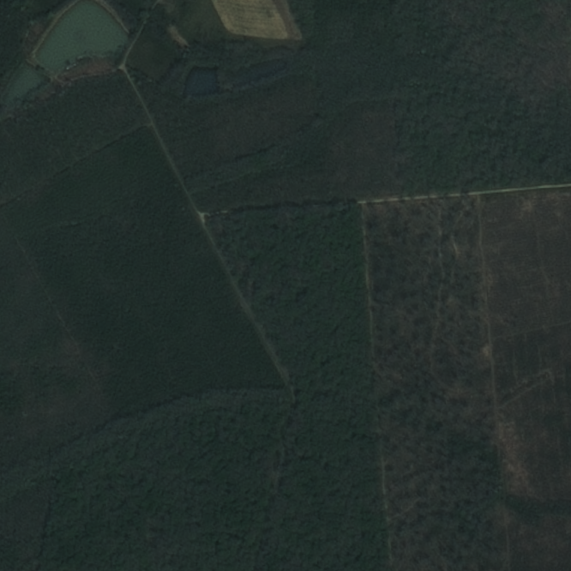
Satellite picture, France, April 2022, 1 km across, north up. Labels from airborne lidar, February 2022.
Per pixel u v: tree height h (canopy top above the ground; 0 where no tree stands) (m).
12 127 16
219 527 27
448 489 22
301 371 27
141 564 23
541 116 18
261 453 25
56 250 11
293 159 21
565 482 0
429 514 27
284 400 21
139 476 22
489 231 0
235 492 24
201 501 24
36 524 17
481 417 0
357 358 25
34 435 14
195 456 22
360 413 29
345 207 25
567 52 26
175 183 11
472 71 22
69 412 14
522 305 0
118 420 14
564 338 0
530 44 23
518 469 0
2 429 15
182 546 23
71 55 0
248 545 20
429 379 24
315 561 22
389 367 23
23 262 12
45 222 9
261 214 19
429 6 27
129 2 0
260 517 23
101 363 6
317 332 21
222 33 0
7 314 12
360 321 25
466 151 22
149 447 21
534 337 0
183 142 15
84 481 23
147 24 10
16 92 0
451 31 27
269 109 14
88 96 17
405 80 24
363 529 22
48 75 0
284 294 23
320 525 19
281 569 26
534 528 0
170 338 8
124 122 18
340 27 0
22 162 16
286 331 25
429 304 24
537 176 23
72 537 26
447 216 25
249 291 24
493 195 0
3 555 22
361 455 24
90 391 13
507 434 0
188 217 7
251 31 0
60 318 10
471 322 24
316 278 25
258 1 0
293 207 20
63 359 14
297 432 26
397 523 25
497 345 0
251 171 25
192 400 22
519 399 0
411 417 24
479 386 0
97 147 14
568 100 18
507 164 26
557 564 0
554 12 27
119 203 8
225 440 29
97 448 26
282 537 23
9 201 14
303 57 18
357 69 25
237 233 25
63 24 0
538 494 0
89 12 0
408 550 26
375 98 20
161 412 23
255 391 27
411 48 25
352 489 25
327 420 28
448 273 25
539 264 0
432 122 21
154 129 0
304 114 14
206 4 0
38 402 14
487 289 0
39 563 22
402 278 0
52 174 14
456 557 26
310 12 23
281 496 25
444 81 24
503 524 0
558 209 0
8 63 19
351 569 28
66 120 17
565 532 0
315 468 27
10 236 11
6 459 16
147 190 11
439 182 27
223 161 14
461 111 23
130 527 23
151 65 0
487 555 28
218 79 13
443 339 0
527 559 0
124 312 7
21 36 19
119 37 0
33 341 14
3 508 18
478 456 22
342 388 23
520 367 0
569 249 0
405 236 0
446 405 27
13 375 14
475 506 21
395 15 25
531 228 0
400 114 24
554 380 0
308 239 27
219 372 7
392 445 23
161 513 22
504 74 19
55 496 23
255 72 0
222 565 24
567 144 26
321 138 18
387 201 0
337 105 20
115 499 24
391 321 28
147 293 7
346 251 25
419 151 26
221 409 23
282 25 0
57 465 24
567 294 0
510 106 22
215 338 7
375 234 29
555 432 0
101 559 25
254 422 27
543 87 25
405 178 24
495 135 8
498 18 23
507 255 0
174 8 0
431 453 0
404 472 0
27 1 17
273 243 21
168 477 27
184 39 0
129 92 17
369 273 0
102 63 0
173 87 20
